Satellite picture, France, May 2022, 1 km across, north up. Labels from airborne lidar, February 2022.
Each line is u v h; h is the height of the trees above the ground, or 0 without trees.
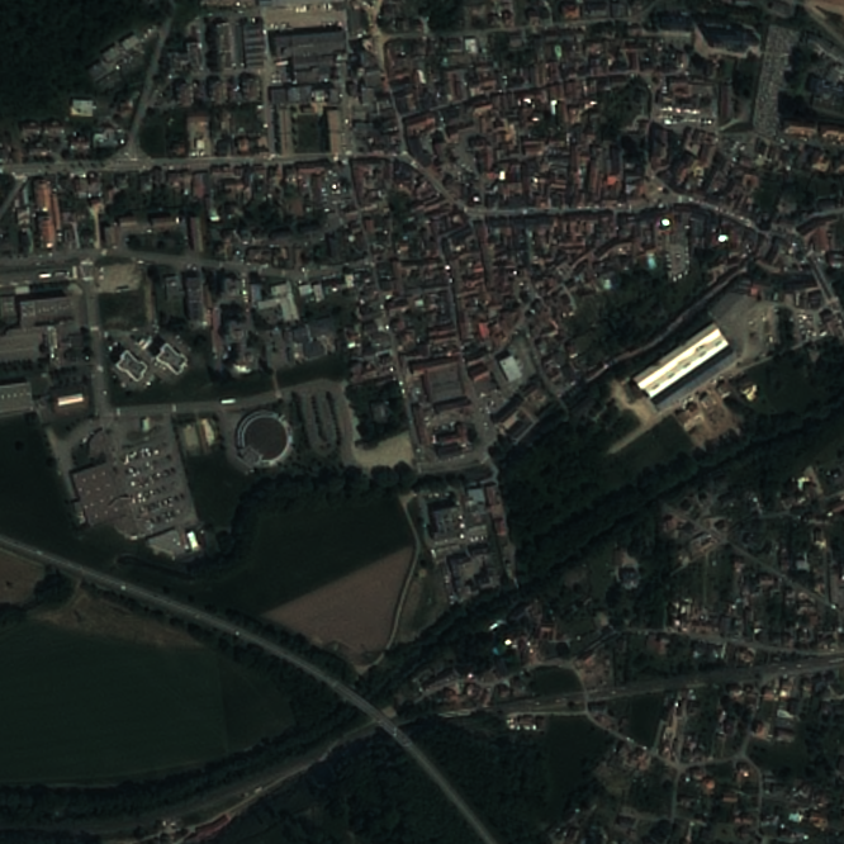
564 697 0
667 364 0
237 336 0
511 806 21
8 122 0
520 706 0
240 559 17
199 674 0
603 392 13
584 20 0
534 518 18
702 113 0
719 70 8
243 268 0
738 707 12
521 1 0
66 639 0
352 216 0
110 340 10
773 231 0
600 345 6
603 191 0
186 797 19
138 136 0
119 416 0
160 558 0
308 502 20
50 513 0
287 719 0
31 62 17
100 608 0
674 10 0
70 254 0
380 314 0
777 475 19
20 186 0
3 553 0
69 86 6
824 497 0
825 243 0
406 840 14
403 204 0
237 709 0
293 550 0
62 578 14
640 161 13
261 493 20
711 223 0
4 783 0
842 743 0
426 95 0
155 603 0
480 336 0
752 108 0
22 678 0
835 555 7
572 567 11
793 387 0
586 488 14
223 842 0
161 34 0
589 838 11
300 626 0
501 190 0
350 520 0
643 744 0
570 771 0
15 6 25
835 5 0
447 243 0
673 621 0
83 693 0
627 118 0
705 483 6
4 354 0
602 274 0
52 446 0
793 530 7
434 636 9
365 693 10
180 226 0
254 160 0
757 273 7
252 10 0
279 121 0
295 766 0
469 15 0
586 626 0
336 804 21
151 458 0
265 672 15
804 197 8
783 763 0
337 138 0
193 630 12
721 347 0
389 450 0
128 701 0
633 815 0
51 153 0
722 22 15
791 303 0
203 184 0
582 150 0
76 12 15
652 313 7
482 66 0
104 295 0
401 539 0
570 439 12
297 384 0
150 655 0
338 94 0
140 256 0
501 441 12
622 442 0
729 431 0
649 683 0
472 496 0
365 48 0
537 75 0
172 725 0
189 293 0
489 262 0
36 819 20
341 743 0
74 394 0
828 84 0
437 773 0
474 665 16
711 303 7
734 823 0
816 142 0
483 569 0
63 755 0
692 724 0
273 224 8
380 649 0
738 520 0
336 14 0
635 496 20
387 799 24
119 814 22
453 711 0
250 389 0
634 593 9
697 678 0
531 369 0
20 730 0
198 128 0
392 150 0
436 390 0
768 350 0
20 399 0
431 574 0
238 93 0
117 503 0
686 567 0
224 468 0
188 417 0
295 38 0
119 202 13
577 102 0
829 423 15
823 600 0
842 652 0
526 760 17
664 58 8
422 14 9
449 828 19
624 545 6
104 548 0
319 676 0
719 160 10
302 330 0
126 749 0
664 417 0
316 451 0
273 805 0
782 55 0
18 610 15
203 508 0
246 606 0
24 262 0
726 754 0
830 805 7
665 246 0
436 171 0
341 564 0
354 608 0
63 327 0
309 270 0
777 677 0
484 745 20
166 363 0
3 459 0
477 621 14
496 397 0
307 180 0
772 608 11
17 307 0
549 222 0
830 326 0
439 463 0
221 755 0
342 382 0
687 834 0
